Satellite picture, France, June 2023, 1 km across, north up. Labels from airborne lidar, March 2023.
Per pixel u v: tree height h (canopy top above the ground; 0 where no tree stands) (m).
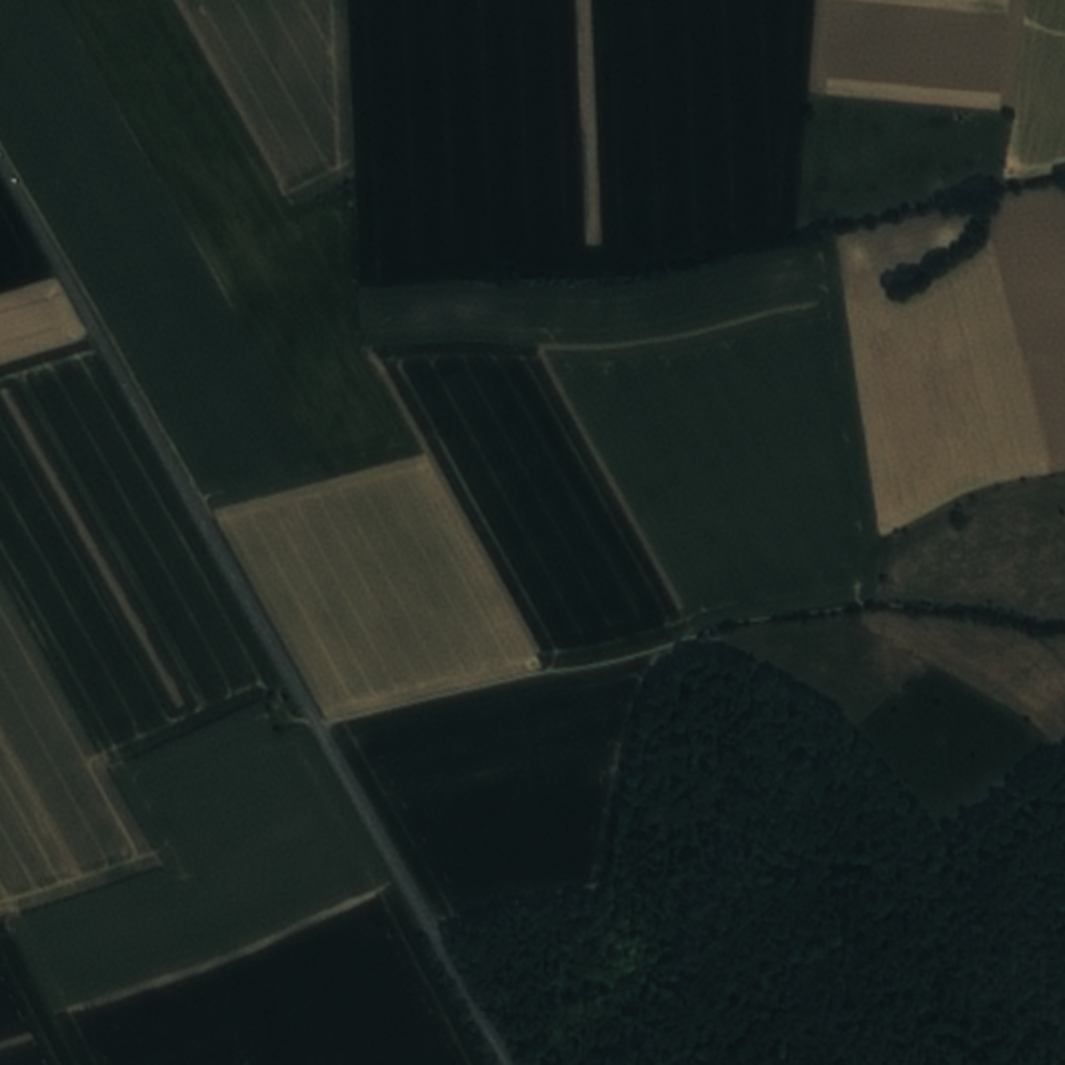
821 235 16
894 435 0
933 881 20
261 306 0
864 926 21
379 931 0
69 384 0
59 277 0
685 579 0
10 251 0
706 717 16
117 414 0
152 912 0
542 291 0
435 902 0
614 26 0
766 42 0
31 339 0
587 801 0
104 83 0
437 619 0
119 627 0
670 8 0
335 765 0
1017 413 0
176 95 0
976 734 0
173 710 0
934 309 0
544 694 0
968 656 0
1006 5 0
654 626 0
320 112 0
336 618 0
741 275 0
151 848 0
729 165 0
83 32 0
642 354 0
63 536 0
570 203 0
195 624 0
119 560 0
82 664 0
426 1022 0
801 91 0
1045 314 0
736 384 0
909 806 26
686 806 28
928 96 0
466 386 0
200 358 0
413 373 0
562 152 0
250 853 0
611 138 0
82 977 0
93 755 0
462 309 0
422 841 0
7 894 0
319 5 0
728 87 0
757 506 0
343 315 0
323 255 0
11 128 0
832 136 0
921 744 0
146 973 0
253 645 0
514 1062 8
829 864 19
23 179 0
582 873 0
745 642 0
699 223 0
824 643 0
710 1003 23
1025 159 0
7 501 0
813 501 0
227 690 0
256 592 0
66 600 0
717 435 0
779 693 27
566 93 0
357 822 0
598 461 0
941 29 0
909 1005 21
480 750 0
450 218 0
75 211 0
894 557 0
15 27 0
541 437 0
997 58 0
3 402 0
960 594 0
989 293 0
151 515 0
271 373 0
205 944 0
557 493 0
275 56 0
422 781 0
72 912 0
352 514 0
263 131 0
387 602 0
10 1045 0
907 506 0
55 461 0
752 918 21
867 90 0
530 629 0
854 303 0
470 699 0
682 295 0
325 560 0
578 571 0
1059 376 0
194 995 0
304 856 0
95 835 0
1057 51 0
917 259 0
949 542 0
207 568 0
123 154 0
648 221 0
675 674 19
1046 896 26
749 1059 23
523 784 0
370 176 0
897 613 0
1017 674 0
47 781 0
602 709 0
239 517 0
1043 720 0
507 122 0
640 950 15
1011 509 0
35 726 0
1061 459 0
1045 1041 10
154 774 0
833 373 0
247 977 0
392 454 0
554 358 0
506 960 10
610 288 0
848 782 21
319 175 0
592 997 22
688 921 20
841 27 0
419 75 0
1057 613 0
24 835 0
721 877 26
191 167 0
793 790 30
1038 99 0
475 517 0
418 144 0
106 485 0
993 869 27
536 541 0
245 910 0
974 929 24
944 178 0
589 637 0
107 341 0
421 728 0
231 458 0
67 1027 0
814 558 0
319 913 0
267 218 0
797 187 0
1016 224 0
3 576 0
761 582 0
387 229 0
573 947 21
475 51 0
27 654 0
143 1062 0
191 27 0
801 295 0
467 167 0
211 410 0
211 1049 0
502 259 0
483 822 0
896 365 0
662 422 0
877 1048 24
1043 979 21
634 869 14
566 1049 18
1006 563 0
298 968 0
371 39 0
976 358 0
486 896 0
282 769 0
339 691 0
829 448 0
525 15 0
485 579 0
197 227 0
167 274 0
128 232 0
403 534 0
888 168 0
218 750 0
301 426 0
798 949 27
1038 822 20
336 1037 0
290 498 0
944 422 0
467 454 0
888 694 0
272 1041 0
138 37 0
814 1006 25
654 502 0
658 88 0
